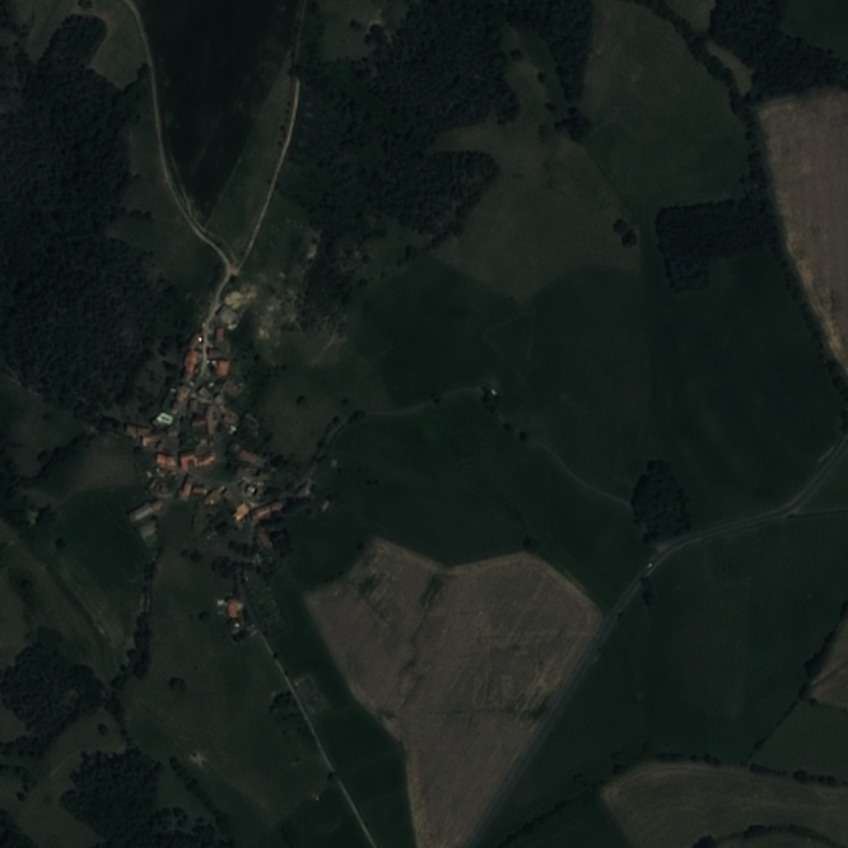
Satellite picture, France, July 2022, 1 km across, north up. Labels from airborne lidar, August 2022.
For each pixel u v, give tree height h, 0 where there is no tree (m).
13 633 0
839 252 0
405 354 0
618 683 0
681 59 0
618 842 0
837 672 0
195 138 0
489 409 9
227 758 0
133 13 0
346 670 0
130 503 0
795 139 0
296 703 11
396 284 0
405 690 0
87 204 10
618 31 0
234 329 0
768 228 14
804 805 0
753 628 0
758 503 0
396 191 17
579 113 12
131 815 12
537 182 0
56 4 0
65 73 12
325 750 0
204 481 0
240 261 0
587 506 0
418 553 0
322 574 0
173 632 0
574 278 0
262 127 0
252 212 0
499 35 16
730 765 0
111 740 0
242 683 0
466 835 0
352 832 0
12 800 0
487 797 0
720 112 0
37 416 0
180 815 16
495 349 0
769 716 0
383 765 0
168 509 0
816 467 0
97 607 0
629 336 0
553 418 0
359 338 0
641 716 0
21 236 22
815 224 0
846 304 0
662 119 0
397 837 0
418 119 6
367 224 7
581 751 0
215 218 0
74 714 13
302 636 0
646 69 0
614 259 0
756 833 14
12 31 8
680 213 17
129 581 0
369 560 0
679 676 0
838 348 0
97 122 18
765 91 6
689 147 0
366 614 0
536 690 0
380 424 0
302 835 0
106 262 11
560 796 0
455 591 0
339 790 0
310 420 0
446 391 0
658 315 0
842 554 0
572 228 0
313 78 11
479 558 0
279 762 0
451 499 0
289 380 0
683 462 0
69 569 0
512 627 0
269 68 0
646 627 0
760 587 0
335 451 0
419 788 0
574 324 0
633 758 0
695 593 0
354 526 0
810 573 0
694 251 19
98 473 0
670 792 0
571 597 0
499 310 0
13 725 0
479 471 0
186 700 0
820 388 0
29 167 14
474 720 0
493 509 0
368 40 13
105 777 21
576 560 0
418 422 0
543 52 0
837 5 0
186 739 0
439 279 0
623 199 0
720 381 0
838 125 0
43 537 0
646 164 0
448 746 0
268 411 0
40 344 11
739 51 8
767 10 16
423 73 17
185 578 0
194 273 0
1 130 10
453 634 0
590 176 0
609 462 0
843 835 0
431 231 7
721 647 0
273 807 0
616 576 0
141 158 0
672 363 0
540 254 0
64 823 0
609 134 0
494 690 0
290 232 0
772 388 0
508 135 0
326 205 10
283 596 0
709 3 0
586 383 0
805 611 0
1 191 12
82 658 0
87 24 8
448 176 8
